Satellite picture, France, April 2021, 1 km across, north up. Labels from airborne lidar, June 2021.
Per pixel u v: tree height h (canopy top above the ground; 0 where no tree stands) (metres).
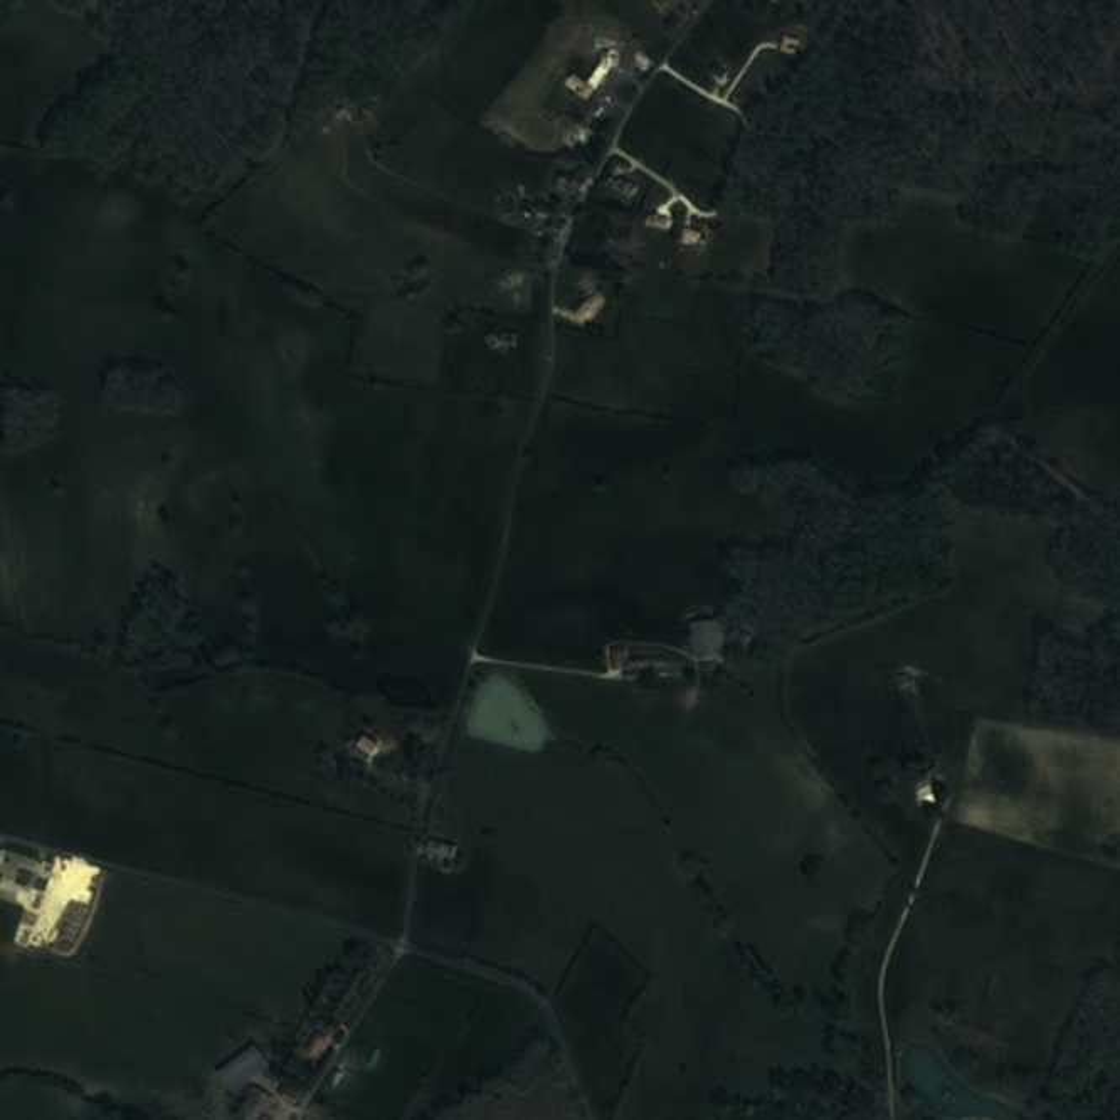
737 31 0
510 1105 0
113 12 19
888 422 0
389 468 0
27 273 0
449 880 0
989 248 0
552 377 0
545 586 0
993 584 0
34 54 0
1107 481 0
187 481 0
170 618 22
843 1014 22
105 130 25
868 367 16
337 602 18
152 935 0
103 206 0
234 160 20
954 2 16
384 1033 0
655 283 0
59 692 0
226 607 0
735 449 0
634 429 0
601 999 0
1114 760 0
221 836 0
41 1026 0
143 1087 0
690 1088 0
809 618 18
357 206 0
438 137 0
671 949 0
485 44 0
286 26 18
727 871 0
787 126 20
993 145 17
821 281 20
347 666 0
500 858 0
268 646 0
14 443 15
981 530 0
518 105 0
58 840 0
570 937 0
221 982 0
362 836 0
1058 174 19
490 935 0
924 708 0
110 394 19
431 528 0
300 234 0
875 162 15
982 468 20
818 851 0
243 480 0
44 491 0
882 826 0
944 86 11
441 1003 0
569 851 0
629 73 0
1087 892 0
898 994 0
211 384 0
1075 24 22
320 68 20
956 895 0
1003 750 0
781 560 21
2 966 0
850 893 0
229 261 0
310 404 0
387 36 20
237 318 0
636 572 0
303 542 0
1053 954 0
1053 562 17
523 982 14
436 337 0
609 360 0
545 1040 15
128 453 0
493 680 0
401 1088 0
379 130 0
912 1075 0
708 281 9
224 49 21
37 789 0
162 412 16
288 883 0
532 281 0
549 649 0
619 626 0
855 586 22
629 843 0
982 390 0
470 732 0
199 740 0
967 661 0
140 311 0
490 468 0
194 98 25
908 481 0
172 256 0
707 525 0
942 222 0
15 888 0
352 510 0
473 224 0
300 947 0
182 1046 0
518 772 0
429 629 0
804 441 0
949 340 0
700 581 0
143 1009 0
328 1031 7
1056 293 0
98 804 0
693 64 0
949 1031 0
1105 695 23
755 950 0
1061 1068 16
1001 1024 0
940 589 8
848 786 0
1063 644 24
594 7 0
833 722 0
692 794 0
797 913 0
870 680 0
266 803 0
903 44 20
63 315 0
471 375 0
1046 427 0
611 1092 0
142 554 0
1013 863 0
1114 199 16
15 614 0
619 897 0
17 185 0
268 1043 0
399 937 0
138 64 23
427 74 0
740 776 0
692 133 0
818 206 15
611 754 7
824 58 16
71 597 0
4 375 0
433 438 0
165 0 17
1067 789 0
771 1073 0
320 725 0
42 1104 0
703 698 0
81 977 0
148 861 0
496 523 0
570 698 0
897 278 0
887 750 0
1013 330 0
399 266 0
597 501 0
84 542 0
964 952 0
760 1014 0
